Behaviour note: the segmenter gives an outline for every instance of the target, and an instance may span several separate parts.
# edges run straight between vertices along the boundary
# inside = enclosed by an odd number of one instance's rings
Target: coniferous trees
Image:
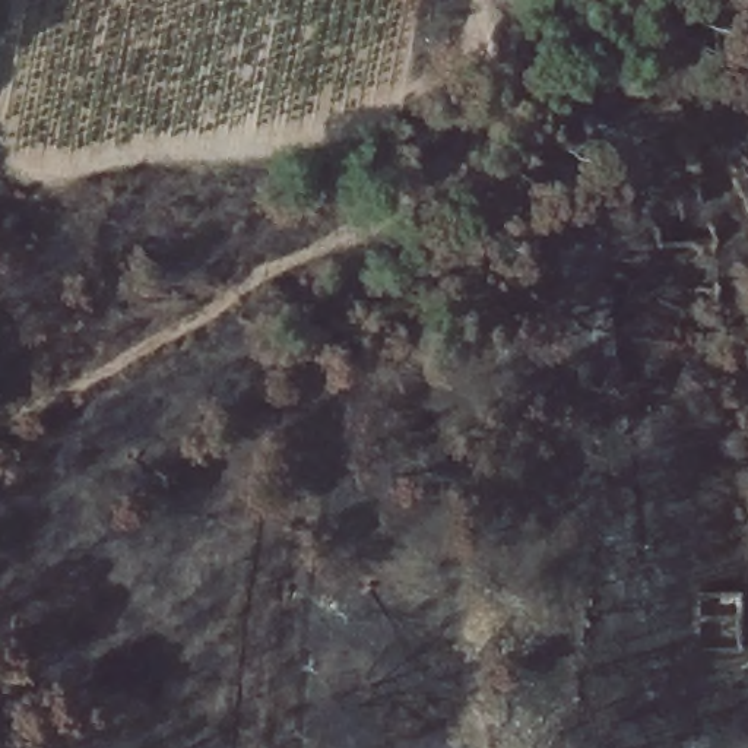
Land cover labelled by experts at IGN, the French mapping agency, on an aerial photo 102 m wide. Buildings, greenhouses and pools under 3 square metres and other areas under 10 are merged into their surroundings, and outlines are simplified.
[[[500,23],[494,29],[494,61],[462,64],[435,79],[432,94],[409,94],[403,105],[356,108],[339,117],[327,117],[324,140],[316,146],[292,146],[269,158],[257,158],[269,169],[272,181],[257,181],[254,202],[257,210],[266,213],[278,228],[289,228],[298,219],[307,219],[307,225],[313,225],[318,222],[318,213],[339,210],[339,228],[354,228],[359,240],[351,248],[336,248],[272,278],[286,304],[281,304],[275,313],[251,318],[243,330],[251,359],[257,359],[266,371],[269,403],[283,406],[298,400],[298,392],[289,389],[286,380],[286,368],[292,362],[318,362],[333,394],[348,389],[351,394],[359,394],[365,383],[377,392],[386,386],[392,392],[406,392],[406,386],[415,383],[421,374],[432,386],[438,374],[450,365],[470,365],[503,348],[505,336],[500,327],[488,333],[476,327],[476,316],[456,316],[447,310],[450,301],[459,301],[462,286],[459,278],[453,278],[453,266],[479,266],[482,257],[488,257],[494,272],[517,278],[526,286],[538,281],[538,266],[526,245],[526,234],[549,234],[558,231],[564,222],[587,225],[596,216],[596,207],[611,207],[614,225],[634,228],[640,207],[637,169],[631,164],[631,155],[611,137],[617,102],[622,102],[625,96],[637,96],[652,114],[681,111],[684,99],[698,96],[704,108],[710,108],[713,102],[725,102],[748,114],[748,0],[491,0],[500,15]]]
[[[245,508],[269,511],[289,503],[286,473],[292,465],[292,441],[286,427],[278,424],[260,438],[225,441],[222,427],[228,406],[222,403],[222,397],[210,394],[193,400],[187,424],[181,432],[175,432],[172,447],[178,447],[181,456],[193,465],[202,465],[207,456],[240,456]]]
[[[32,646],[20,634],[0,628],[0,748],[61,748],[64,742],[76,742],[82,736],[96,736],[108,722],[105,707],[99,701],[82,701],[70,690],[70,684],[50,675],[47,663],[35,657]]]
[[[748,561],[748,266],[733,263],[730,275],[719,278],[719,286],[695,286],[692,318],[698,321],[695,345],[701,348],[701,356],[698,365],[678,371],[675,386],[681,409],[698,418],[698,424],[690,430],[687,456],[692,459],[692,465],[701,465],[710,473],[710,485],[716,491],[719,532],[728,543],[733,543],[736,561]]]

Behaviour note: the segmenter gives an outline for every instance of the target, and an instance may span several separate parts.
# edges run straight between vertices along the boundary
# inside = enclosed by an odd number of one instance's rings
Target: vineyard
[[[418,6],[412,0],[70,0],[64,6],[61,23],[41,29],[26,50],[15,53],[15,73],[9,85],[0,91],[0,143],[6,149],[6,167],[15,178],[41,181],[47,187],[58,187],[91,172],[134,164],[219,164],[257,158],[269,158],[292,146],[316,146],[324,140],[327,117],[339,117],[356,108],[403,105],[409,94],[432,94],[435,79],[412,76]]]

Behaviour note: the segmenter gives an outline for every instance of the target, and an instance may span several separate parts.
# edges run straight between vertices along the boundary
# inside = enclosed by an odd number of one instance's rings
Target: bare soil
[[[500,15],[491,0],[412,0],[418,6],[412,76],[435,79],[462,64],[494,61],[494,29],[500,23]]]
[[[0,91],[9,85],[15,73],[15,53],[26,50],[41,29],[61,23],[64,6],[70,0],[0,0]]]
[[[500,327],[505,336],[503,348],[470,365],[450,365],[438,374],[432,386],[421,374],[415,383],[406,386],[406,392],[392,392],[386,386],[377,392],[365,383],[359,394],[351,394],[348,389],[333,394],[318,362],[292,362],[286,368],[286,380],[289,389],[298,392],[298,400],[283,406],[269,403],[266,371],[257,359],[251,359],[243,330],[251,318],[275,313],[281,304],[286,304],[272,278],[336,248],[351,248],[359,240],[354,228],[339,228],[339,210],[318,213],[318,222],[313,225],[307,225],[307,219],[298,219],[289,228],[278,228],[266,213],[257,210],[254,202],[257,181],[272,181],[269,169],[257,158],[219,164],[134,164],[91,172],[58,187],[47,187],[41,181],[15,178],[6,167],[6,149],[0,143],[0,628],[20,634],[32,646],[35,657],[47,663],[50,675],[70,684],[70,690],[82,701],[99,701],[105,707],[108,722],[96,736],[82,736],[76,742],[64,742],[61,748],[748,748],[748,561],[736,561],[733,543],[728,543],[719,532],[716,491],[710,485],[710,473],[701,465],[692,465],[692,459],[687,456],[690,430],[698,424],[698,418],[681,409],[675,386],[678,371],[698,365],[701,356],[701,348],[695,345],[698,321],[692,318],[695,286],[719,286],[719,278],[730,275],[733,263],[748,266],[748,114],[725,102],[713,102],[710,108],[704,108],[698,96],[684,99],[681,111],[652,114],[637,96],[625,96],[622,102],[617,102],[611,137],[631,155],[631,164],[637,169],[640,207],[634,228],[614,225],[611,207],[596,207],[596,216],[587,225],[564,222],[558,231],[549,234],[526,234],[526,245],[538,266],[538,281],[526,286],[517,278],[494,272],[488,257],[482,257],[479,266],[453,266],[453,278],[459,278],[462,286],[459,301],[450,301],[447,310],[456,316],[476,316],[476,327],[488,333]],[[193,400],[210,394],[222,397],[222,403],[228,406],[222,427],[225,441],[260,438],[278,424],[286,427],[292,441],[292,465],[286,473],[289,503],[269,511],[245,508],[240,456],[207,456],[202,465],[193,465],[181,456],[178,447],[172,447],[175,432],[181,432],[187,424]]]

